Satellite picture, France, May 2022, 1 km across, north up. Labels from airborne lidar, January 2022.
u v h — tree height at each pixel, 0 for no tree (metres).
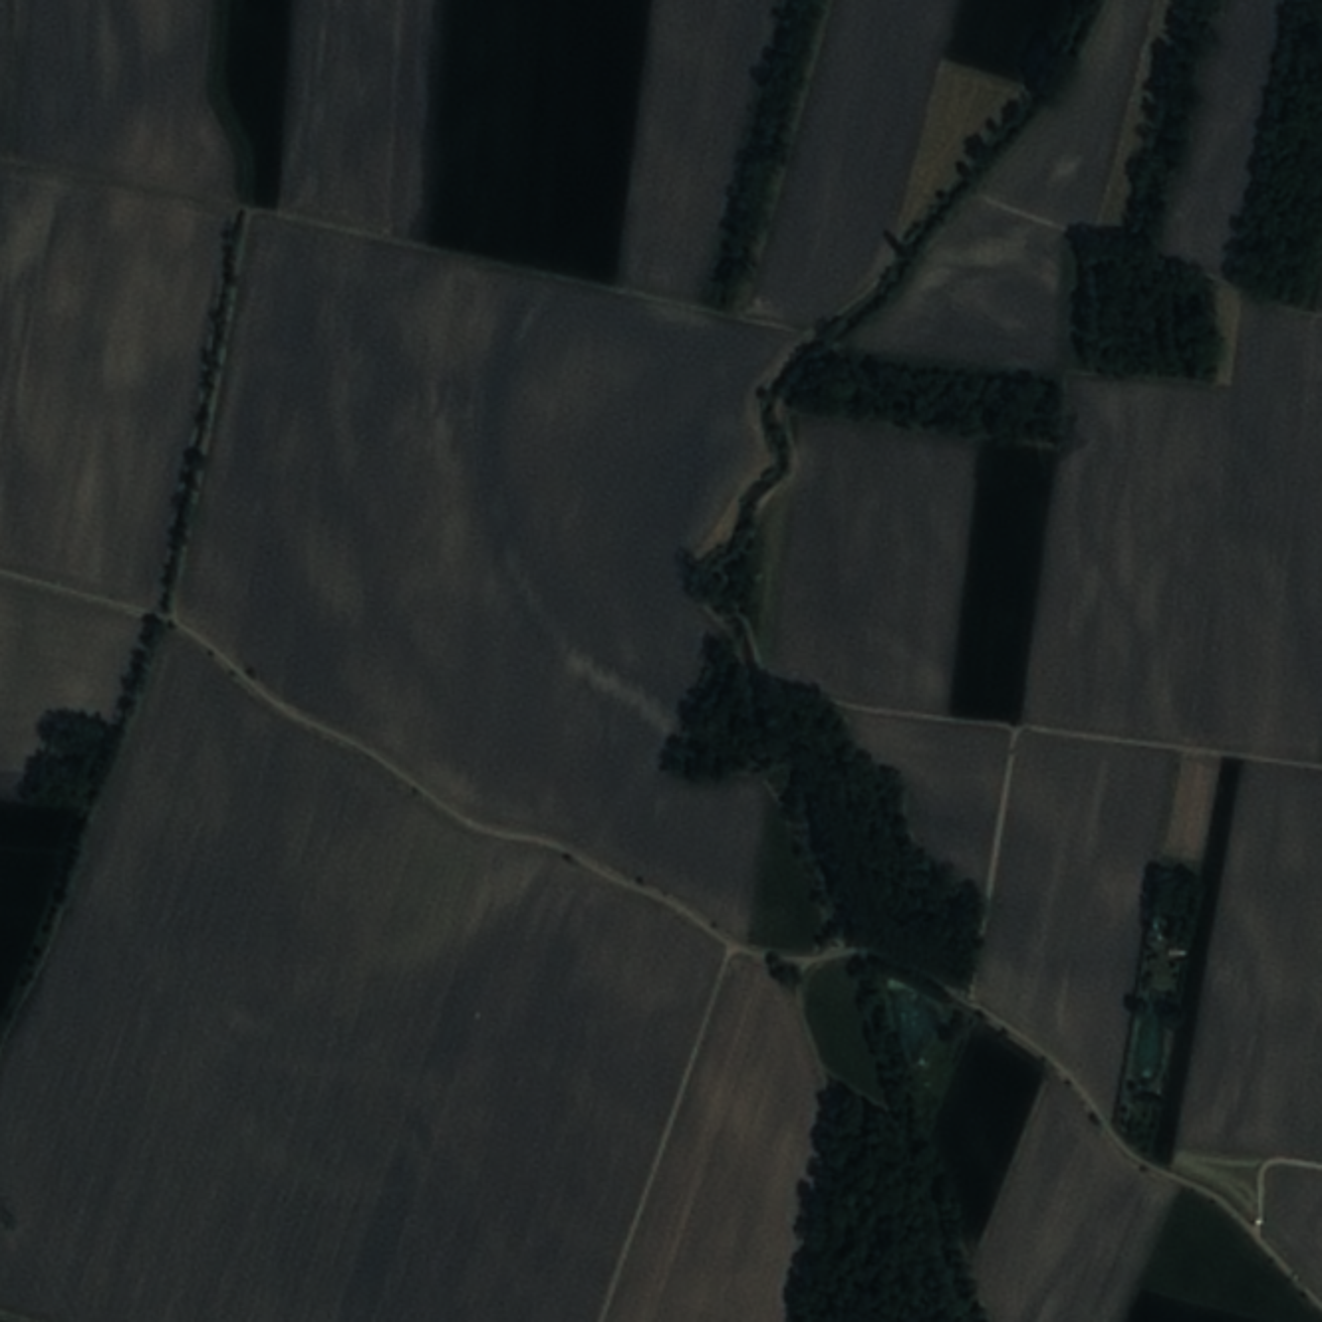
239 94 0
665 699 0
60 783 19
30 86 0
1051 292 0
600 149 0
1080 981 0
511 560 0
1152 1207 0
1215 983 0
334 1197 0
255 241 0
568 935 0
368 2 0
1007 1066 0
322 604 0
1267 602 0
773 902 0
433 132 0
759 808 0
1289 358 0
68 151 0
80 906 0
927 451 0
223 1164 0
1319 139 21
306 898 0
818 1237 16
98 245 0
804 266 0
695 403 0
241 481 0
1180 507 0
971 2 0
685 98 0
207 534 0
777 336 0
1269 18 0
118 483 0
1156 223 18
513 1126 0
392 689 0
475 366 0
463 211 0
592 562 0
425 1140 0
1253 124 0
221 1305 0
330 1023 0
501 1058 0
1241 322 0
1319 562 0
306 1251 0
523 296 0
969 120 0
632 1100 0
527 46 0
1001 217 0
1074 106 0
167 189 0
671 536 0
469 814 0
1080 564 0
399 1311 0
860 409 23
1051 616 0
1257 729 0
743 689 17
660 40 0
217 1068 0
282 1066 0
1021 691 0
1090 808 0
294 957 0
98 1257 0
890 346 0
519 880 0
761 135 17
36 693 0
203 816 0
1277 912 0
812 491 0
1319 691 0
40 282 0
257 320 0
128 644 0
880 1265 19
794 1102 0
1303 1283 0
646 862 0
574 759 0
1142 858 0
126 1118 0
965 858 0
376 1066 0
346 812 0
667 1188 0
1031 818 0
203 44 0
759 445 0
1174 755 0
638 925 0
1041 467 0
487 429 0
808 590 0
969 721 0
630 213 0
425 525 0
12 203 0
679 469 0
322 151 0
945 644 0
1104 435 0
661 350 0
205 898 0
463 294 0
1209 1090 0
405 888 0
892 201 0
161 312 0
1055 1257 0
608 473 0
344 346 0
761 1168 0
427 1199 0
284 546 0
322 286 0
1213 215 0
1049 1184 0
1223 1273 0
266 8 0
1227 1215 0
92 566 0
